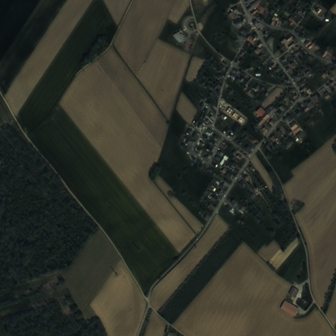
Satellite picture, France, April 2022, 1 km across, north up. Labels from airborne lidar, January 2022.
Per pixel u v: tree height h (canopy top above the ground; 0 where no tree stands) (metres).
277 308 0
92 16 0
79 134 0
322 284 0
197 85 0
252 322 0
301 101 0
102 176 0
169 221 0
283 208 18
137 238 0
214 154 0
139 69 0
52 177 23
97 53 17
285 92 10
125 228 0
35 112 0
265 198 0
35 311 22
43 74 0
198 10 0
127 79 0
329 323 0
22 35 0
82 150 0
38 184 27
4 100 0
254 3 0
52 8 0
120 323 0
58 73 0
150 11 0
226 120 0
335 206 0
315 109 12
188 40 0
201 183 0
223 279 0
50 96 0
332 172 0
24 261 28
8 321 22
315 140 0
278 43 0
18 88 0
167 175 0
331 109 0
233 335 0
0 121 0
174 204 0
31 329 29
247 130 8
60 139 0
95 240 0
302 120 0
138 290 0
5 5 0
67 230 32
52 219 9
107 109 0
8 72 0
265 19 11
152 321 0
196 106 0
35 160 23
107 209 0
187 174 0
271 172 25
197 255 0
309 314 0
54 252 29
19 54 0
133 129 0
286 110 0
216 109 0
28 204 7
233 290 0
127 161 0
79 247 24
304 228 0
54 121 0
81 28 0
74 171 0
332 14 0
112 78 0
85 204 0
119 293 0
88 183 0
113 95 0
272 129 0
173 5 0
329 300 8
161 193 0
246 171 0
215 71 0
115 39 0
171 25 0
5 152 28
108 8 0
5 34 0
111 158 0
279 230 0
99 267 0
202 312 0
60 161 0
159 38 0
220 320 0
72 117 0
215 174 0
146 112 0
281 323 0
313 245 0
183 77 0
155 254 0
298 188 0
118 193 0
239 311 0
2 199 8
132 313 0
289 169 0
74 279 0
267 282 0
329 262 0
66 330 23
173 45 0
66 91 0
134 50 0
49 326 12
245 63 0
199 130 0
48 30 0
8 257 24
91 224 27
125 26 0
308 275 0
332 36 0
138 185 0
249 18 0
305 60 10
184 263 0
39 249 29
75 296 0
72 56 0
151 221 0
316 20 0
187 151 0
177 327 0
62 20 0
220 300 0
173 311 0
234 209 0
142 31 0
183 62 0
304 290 0
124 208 0
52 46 0
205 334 0
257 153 0
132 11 0
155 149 0
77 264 0
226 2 0
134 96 0
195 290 0
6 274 29
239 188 0
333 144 0
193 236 0
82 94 0
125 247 0
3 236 24
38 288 7
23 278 25
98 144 0
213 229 0
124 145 0
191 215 0
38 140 0
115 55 0
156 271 0
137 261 0
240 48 0
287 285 0
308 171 0
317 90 0
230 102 0
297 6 9
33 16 0
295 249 0
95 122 0
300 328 0
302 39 0
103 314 0
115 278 0
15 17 0
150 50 0
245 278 0
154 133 0
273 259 0
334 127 0
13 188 6
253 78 0
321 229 0
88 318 0
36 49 0
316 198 0
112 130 0
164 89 0
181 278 0
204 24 0
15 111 0
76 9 0
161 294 0
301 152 0
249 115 0
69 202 28
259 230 0
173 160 0
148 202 0
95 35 0
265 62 0
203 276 0
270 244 0
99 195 0
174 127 0
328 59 0
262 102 0
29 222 21
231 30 0
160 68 0
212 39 0
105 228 0
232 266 0
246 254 0
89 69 0
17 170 27
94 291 0
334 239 0
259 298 0
